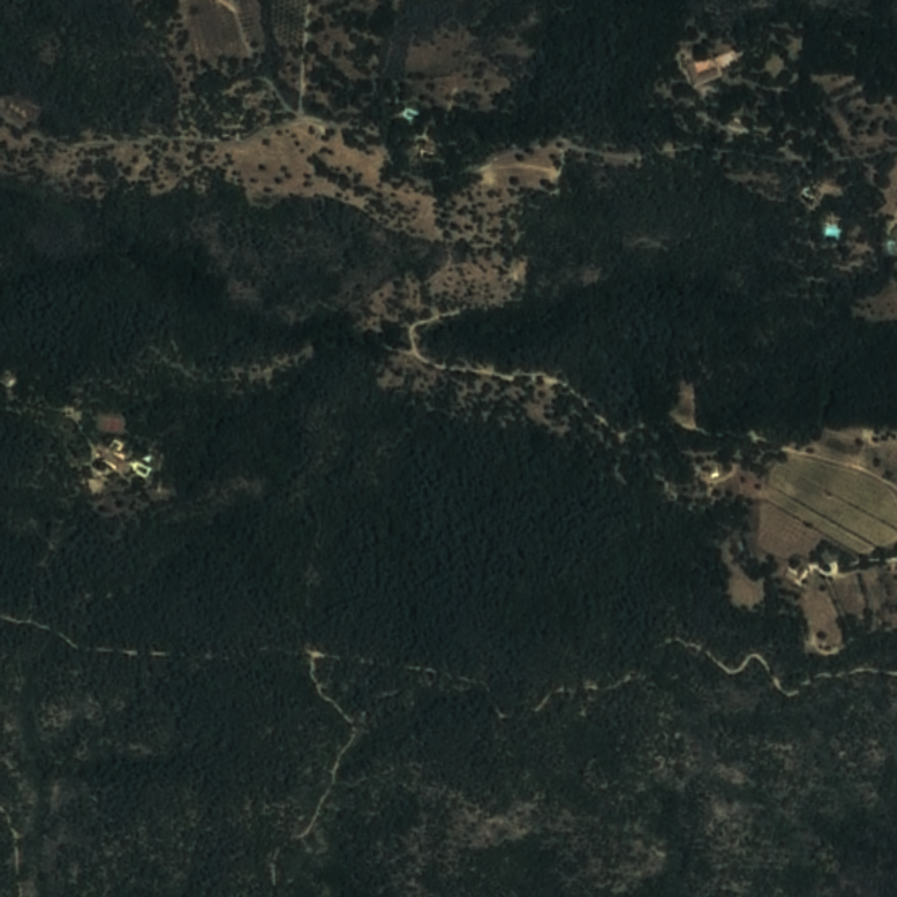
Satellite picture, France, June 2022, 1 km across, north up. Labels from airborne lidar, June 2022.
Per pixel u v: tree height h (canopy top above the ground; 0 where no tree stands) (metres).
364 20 9
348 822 8
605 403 16
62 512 11
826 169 6
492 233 8
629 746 12
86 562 15
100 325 9
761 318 13
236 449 7
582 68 15
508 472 15
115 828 11
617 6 10
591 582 11
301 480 16
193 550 18
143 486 9
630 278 7
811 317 8
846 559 7
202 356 6
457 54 6
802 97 13
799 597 7
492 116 11
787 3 9
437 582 14
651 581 12
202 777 14
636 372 11
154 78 8
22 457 14
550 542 7
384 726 8
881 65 15
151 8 8
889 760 7
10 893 10
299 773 12
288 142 0
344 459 6
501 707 14
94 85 9
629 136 11
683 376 7
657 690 10
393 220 6
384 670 11
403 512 6
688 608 7
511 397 12
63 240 5
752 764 7
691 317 12
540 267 6
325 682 10
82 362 10
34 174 7
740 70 11
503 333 20
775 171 16
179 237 6
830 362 9
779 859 8
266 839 7
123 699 7
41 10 8
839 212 12
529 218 7
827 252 9
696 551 7
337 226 11
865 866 6
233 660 12
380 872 7
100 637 11
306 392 9
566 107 14
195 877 7
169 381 12
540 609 9
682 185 7
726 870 7
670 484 11
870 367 13
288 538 7
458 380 7
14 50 9
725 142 12
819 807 8
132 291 6
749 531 11
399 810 7
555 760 11
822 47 13
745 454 8
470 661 14
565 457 11
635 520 14
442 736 14
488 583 15
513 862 9
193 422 11
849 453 0
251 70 11
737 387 9
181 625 11
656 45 9
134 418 12
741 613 16
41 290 19
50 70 8
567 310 15
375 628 11
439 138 13
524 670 14
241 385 8
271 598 12
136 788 13
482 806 10
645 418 11
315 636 14
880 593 0
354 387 15
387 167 6
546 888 10
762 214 14
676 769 7
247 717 12
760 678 9
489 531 17
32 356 10
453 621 14
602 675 8
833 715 9
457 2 7
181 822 7
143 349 17
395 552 14
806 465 0
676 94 11
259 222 6
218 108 6
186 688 6
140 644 12
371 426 6
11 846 7
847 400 10
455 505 6
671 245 8
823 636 11
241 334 7
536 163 0
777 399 7
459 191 7
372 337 15
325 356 9
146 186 9
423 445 8
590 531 17
